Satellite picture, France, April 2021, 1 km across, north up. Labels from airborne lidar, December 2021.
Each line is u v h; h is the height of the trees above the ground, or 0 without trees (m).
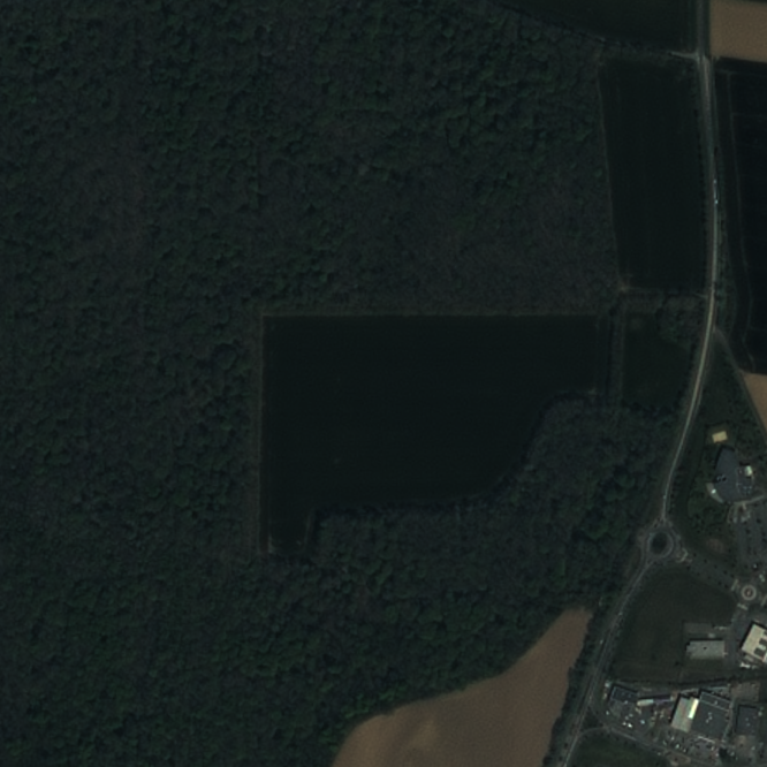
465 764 0
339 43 25
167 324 24
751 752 0
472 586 21
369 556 25
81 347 19
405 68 10
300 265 19
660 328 11
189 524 22
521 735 0
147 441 25
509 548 26
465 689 16
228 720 26
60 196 20
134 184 30
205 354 20
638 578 0
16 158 26
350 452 0
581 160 24
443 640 20
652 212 0
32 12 18
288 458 0
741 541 0
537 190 23
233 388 22
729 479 0
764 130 0
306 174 19
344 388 0
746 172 0
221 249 24
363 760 0
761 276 0
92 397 18
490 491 0
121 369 22
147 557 20
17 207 22
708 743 0
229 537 20
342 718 22
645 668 0
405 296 26
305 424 0
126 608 19
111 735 27
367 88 21
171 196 20
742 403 7
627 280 0
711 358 0
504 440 0
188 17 24
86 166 18
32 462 22
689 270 0
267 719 27
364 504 0
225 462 18
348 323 0
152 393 22
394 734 0
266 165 22
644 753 0
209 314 25
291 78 26
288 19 21
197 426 24
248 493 20
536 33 24
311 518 0
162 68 24
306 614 25
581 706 0
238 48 24
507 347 0
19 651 26
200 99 25
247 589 25
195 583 24
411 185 19
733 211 0
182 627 26
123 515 21
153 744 26
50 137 22
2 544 28
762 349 0
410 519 22
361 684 23
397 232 22
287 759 22
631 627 0
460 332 0
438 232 27
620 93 0
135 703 29
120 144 23
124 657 29
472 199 23
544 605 23
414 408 0
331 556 18
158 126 24
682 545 0
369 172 24
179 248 24
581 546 30
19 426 13
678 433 15
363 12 11
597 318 0
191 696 26
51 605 27
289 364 0
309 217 24
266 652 24
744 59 0
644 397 0
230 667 21
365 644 23
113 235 27
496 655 22
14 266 23
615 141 0
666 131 0
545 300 27
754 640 0
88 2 21
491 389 0
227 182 23
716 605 0
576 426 25
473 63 20
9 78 18
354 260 23
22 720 28
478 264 25
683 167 0
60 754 28
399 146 19
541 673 0
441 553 27
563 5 0
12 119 19
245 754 19
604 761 0
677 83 0
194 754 27
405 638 26
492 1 17
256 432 20
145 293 16
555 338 0
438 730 0
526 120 27
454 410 0
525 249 21
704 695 0
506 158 24
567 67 18
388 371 0
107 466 12
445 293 27
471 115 17
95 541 19
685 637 0
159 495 20
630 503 20
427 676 22
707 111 0
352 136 23
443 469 0
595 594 10
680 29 0
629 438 16
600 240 25
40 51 24
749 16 0
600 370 0
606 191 18
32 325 30
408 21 15
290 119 21
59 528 24
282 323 0
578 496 26
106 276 24
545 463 20
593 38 10
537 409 0
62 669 26
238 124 25
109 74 21
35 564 22
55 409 24
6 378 21
